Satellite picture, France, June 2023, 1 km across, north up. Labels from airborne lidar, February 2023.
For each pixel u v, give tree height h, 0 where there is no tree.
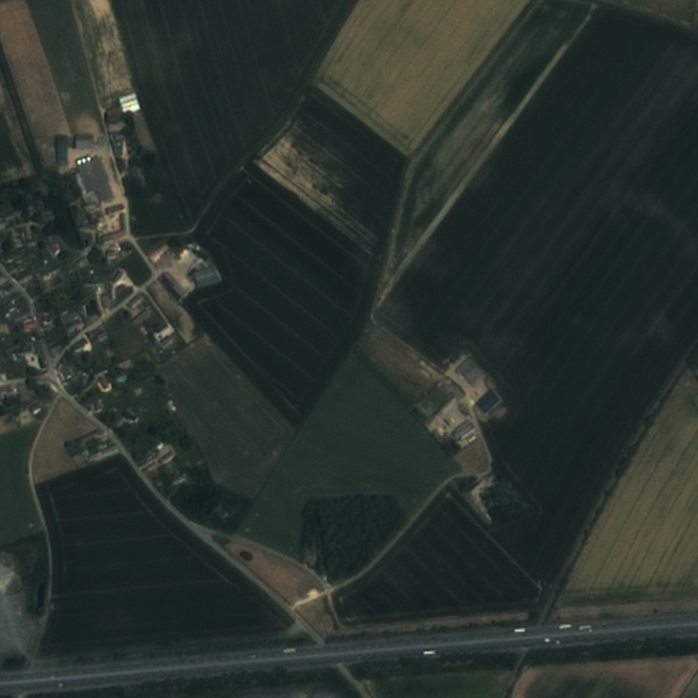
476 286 0
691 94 0
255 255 0
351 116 0
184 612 0
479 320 0
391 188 0
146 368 6
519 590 0
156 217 0
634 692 0
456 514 0
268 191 0
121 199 0
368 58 0
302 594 0
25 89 0
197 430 0
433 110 0
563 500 0
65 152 0
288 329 0
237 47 0
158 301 0
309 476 0
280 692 0
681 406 0
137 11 0
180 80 0
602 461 0
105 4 0
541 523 0
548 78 0
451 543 0
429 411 0
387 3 0
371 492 0
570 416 0
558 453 0
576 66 0
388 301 0
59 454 0
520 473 0
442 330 0
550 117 0
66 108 0
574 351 0
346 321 0
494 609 0
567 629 0
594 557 0
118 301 0
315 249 0
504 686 0
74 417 0
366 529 21
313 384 0
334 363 0
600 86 0
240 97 0
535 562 0
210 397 0
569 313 0
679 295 0
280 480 0
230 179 0
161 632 0
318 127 0
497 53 0
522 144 0
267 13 0
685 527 0
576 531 0
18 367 0
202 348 0
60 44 0
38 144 0
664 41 0
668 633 0
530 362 0
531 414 0
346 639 8
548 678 0
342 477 0
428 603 0
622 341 0
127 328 0
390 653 0
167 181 0
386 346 0
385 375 0
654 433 0
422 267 0
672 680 0
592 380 0
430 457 0
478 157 0
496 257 0
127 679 0
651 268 0
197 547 0
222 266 0
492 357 0
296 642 8
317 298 0
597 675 0
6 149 0
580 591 0
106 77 0
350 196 0
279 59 0
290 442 0
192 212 0
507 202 0
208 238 0
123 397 0
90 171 0
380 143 0
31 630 0
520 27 0
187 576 0
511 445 0
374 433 0
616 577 0
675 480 0
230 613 0
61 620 0
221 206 0
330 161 0
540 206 0
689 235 0
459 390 0
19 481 0
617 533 0
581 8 0
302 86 0
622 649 7
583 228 0
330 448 0
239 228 0
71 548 0
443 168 0
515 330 0
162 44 0
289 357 0
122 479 0
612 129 0
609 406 0
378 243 0
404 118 0
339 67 0
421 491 0
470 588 0
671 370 0
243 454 0
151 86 0
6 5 0
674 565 0
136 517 0
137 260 0
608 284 0
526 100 0
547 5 0
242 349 0
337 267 0
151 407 0
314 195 0
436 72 0
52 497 0
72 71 0
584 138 0
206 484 7
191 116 0
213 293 0
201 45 0
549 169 0
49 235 14
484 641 0
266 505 0
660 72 0
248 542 0
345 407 0
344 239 0
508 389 0
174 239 7
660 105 0
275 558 0
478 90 0
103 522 0
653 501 0
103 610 0
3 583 0
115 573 0
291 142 0
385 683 0
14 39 0
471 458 0
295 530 0
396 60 0
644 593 0
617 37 0
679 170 0
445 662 8
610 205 0
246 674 7
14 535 0
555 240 0
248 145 0
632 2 0
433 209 0
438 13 0
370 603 0
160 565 0
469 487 8
